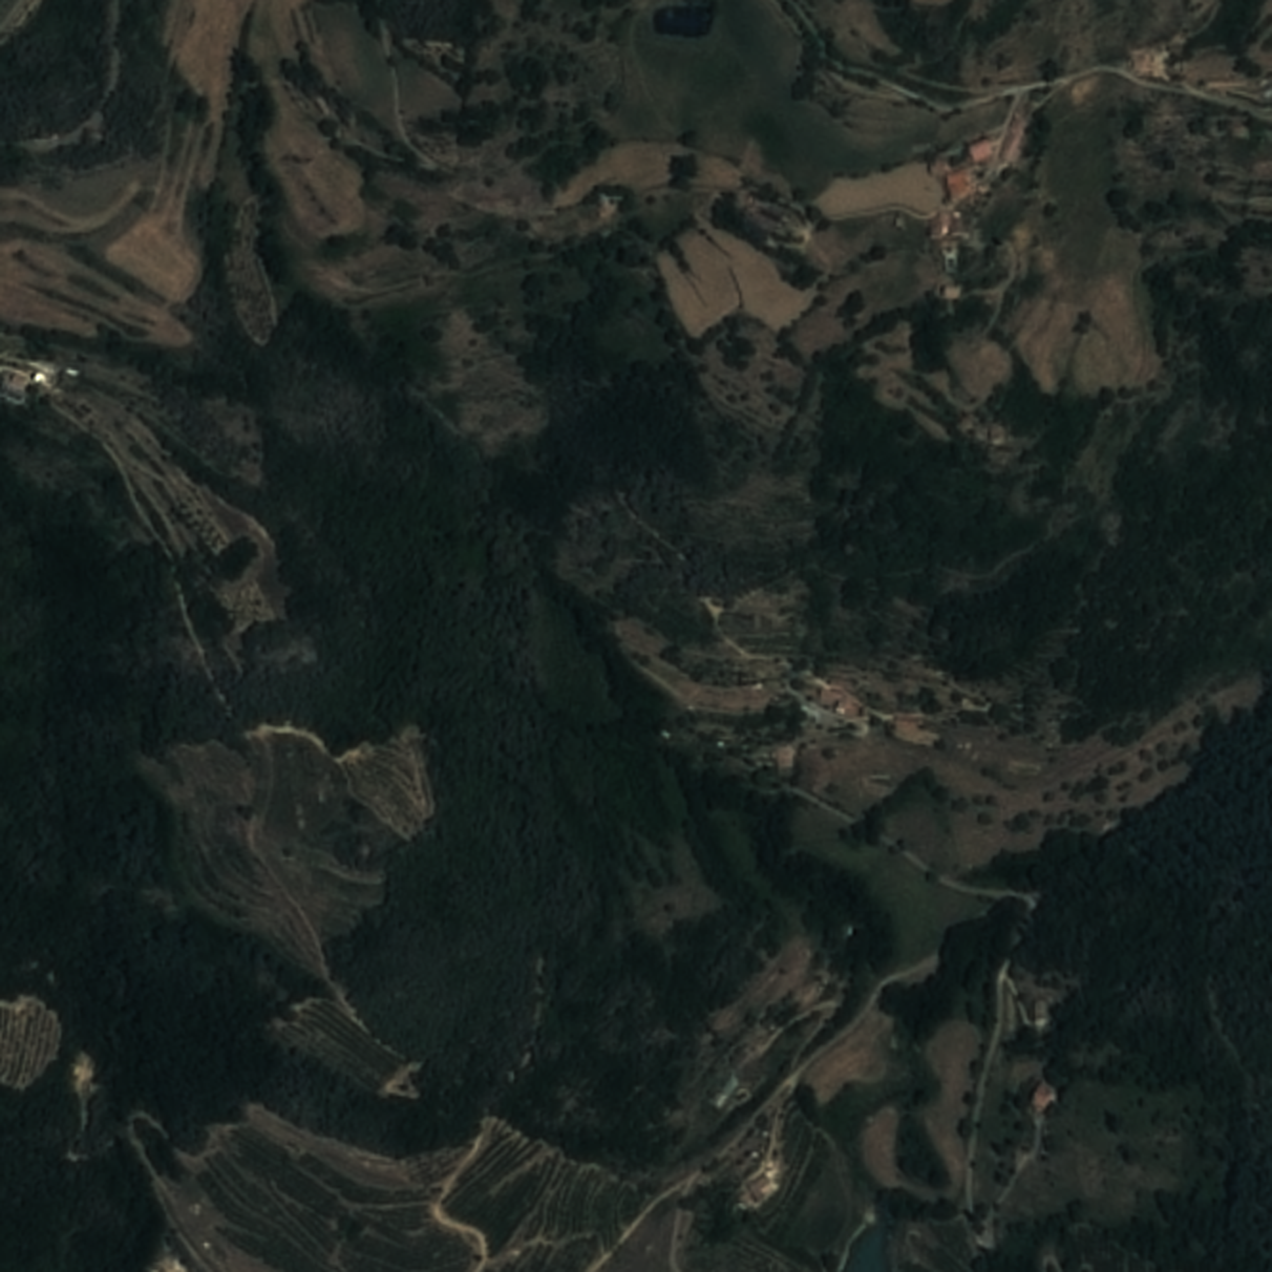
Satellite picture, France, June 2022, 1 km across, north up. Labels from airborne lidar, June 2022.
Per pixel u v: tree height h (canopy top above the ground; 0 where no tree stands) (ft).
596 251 42
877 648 24
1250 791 83
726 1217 31
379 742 27
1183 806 94
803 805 30
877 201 0
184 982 78
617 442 38
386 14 21
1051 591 60
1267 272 28
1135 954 32
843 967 48
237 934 20
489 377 0
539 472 19
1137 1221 32
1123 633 45
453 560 44
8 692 52
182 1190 0
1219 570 38
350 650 50
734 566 28
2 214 0
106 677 42
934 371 29
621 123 0
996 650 43
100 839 61
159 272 0
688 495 34
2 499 59
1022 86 0
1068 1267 39
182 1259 20
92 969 31
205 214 34
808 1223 0
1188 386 23
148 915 26
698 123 0
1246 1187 73
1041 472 21
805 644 30
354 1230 43
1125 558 34
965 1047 0
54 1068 31
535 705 53
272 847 0
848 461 45
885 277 0
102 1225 24
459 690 64
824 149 0
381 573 73
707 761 33
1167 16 0
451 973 31
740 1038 22
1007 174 28
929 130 0
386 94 0
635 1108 40
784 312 0
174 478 0
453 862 74
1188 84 0
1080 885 60
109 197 0
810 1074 0
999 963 31
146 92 33
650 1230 0
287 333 49
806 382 20
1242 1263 40
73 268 0
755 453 24
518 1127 44
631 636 0
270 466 32
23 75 25
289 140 0
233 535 0
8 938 34
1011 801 0
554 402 45
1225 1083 25
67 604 45
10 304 0
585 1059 28
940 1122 0
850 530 36
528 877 54
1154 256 62
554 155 30
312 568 30
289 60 31
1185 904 57
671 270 0
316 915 0
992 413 22
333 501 50
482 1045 46
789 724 26
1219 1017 32
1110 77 0
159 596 44
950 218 0
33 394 31
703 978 19
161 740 45
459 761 55
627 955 45
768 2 0
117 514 23
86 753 29
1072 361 0
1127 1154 53
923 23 22
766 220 0
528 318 23
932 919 0
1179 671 32
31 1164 28
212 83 0
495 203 0
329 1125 42
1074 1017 51
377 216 0
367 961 34
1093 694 44
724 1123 22
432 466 33
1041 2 0
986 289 28
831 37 20
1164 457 33
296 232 0
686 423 30
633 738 51
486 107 27
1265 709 68
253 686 34
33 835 45
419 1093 23
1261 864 93
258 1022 44
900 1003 70
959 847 0
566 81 27
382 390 33
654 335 0
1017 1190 0
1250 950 65
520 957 54
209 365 28
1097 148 0
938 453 25
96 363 0
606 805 36
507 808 67
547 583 34
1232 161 0
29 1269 24
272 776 0
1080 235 0
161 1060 60
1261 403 25
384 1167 0
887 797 19
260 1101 36
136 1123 33
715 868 31
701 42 0
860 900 89
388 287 0
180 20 0
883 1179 0
